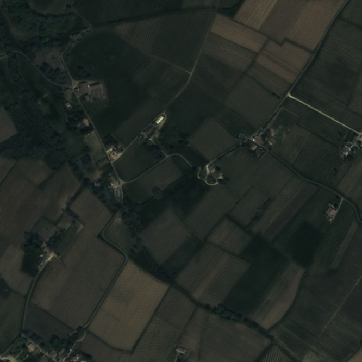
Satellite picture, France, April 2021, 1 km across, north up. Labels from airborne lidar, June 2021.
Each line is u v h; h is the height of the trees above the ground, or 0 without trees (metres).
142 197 0
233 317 17
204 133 0
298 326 0
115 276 0
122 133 0
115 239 0
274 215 0
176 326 0
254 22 0
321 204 0
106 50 0
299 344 0
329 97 0
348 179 0
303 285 0
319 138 0
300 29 0
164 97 0
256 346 0
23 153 12
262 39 0
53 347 16
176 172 0
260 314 0
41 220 0
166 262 0
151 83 0
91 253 0
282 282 0
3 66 0
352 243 0
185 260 0
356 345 0
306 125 0
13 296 0
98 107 0
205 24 0
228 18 0
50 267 0
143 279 0
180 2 0
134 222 8
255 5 0
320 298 0
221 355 0
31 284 0
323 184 0
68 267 0
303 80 0
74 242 0
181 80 0
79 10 0
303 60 0
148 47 0
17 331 0
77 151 0
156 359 0
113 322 0
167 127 0
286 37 0
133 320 0
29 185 0
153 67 0
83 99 9
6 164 0
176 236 0
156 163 0
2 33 14
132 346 0
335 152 0
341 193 0
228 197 0
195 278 0
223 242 0
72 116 12
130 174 0
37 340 17
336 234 0
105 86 0
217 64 0
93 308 0
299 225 0
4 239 0
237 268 0
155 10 0
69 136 0
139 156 0
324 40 0
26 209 0
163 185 0
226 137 0
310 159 0
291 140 0
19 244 0
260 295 0
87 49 0
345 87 0
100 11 0
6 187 0
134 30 0
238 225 0
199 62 0
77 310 0
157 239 0
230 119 0
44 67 11
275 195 0
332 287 0
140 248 15
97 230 0
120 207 16
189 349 0
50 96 0
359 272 0
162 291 0
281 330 0
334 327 0
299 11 0
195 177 0
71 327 0
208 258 0
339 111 0
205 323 0
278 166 0
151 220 0
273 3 0
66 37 0
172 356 0
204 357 0
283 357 0
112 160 0
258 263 0
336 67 0
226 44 0
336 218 0
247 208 0
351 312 0
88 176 0
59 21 16
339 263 0
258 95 0
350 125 0
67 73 7
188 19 0
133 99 0
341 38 0
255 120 0
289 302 0
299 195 0
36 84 0
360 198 0
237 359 0
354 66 0
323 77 0
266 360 0
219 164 0
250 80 0
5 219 0
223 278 0
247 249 0
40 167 0
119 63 0
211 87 0
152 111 0
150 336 0
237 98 0
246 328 0
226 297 0
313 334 0
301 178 0
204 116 0
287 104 0
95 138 0
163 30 0
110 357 0
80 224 0
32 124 7
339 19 0
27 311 0
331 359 0
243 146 8
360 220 0
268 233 0
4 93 0
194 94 0
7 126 0
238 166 0
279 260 0
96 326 0
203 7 0
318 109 0
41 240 22
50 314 0
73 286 0
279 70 0
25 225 0
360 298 0
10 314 0
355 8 0
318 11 0
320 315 0
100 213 0
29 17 25
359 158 0
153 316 0
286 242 0
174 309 0
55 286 0
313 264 0
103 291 0
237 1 0
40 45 6
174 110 0
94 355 0
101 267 0
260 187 0
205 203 0
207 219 0
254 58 0
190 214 0
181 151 0
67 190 0
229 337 0
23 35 0
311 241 0
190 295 0
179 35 0
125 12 0
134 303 0
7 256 0
